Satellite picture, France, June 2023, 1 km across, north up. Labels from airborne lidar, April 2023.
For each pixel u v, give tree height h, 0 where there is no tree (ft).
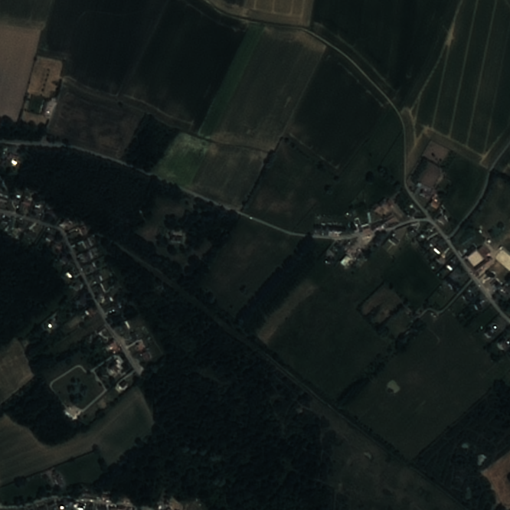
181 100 0
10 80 0
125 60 0
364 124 0
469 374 0
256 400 46
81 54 0
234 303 0
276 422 22
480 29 0
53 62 0
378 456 0
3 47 0
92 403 0
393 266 0
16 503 39
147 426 0
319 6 0
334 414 0
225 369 41
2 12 0
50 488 41
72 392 40
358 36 0
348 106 0
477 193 0
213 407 23
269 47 0
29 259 61
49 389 47
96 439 0
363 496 0
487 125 0
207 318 38
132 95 0
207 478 44
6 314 77
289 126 0
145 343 0
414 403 0
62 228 0
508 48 0
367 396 0
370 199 0
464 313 18
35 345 32
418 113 0
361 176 0
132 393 0
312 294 0
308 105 0
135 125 0
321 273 0
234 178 0
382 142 0
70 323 0
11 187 41
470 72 0
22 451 0
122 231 60
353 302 0
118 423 0
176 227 31
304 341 0
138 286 39
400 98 0
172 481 20
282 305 0
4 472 0
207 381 40
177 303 28
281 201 0
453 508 0
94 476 0
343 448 0
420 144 0
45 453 0
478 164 0
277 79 0
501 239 0
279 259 0
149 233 0
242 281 0
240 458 23
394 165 0
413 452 0
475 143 0
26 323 65
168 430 19
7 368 0
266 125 0
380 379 0
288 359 0
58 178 45
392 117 0
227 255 0
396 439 0
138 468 43
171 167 0
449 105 0
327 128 0
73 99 0
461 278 0
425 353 0
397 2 0
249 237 0
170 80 0
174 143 0
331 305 0
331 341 0
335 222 0
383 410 0
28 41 0
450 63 0
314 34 0
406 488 0
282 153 0
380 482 0
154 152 51
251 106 0
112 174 46
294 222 0
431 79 0
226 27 0
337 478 0
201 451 46
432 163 20
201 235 57
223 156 0
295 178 0
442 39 0
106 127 0
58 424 79
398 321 0
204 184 0
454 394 0
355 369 0
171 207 0
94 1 0
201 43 0
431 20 0
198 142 0
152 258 54
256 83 0
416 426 0
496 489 0
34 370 58
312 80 0
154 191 52
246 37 0
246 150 0
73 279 32
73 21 0
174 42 0
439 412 0
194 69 0
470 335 0
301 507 23
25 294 69
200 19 0
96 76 0
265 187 0
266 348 30
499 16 0
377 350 0
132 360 0
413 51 0
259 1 0
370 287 0
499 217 0
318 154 0
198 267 51
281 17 0
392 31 0
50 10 0
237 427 36
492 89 0
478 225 0
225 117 0
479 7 0
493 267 0
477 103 0
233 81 0
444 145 0
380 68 0
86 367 0
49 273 68
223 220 57
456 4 0
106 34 0
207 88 0
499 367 0
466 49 0
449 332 0
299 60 0
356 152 0
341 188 0
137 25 0
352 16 0
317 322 0
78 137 0
